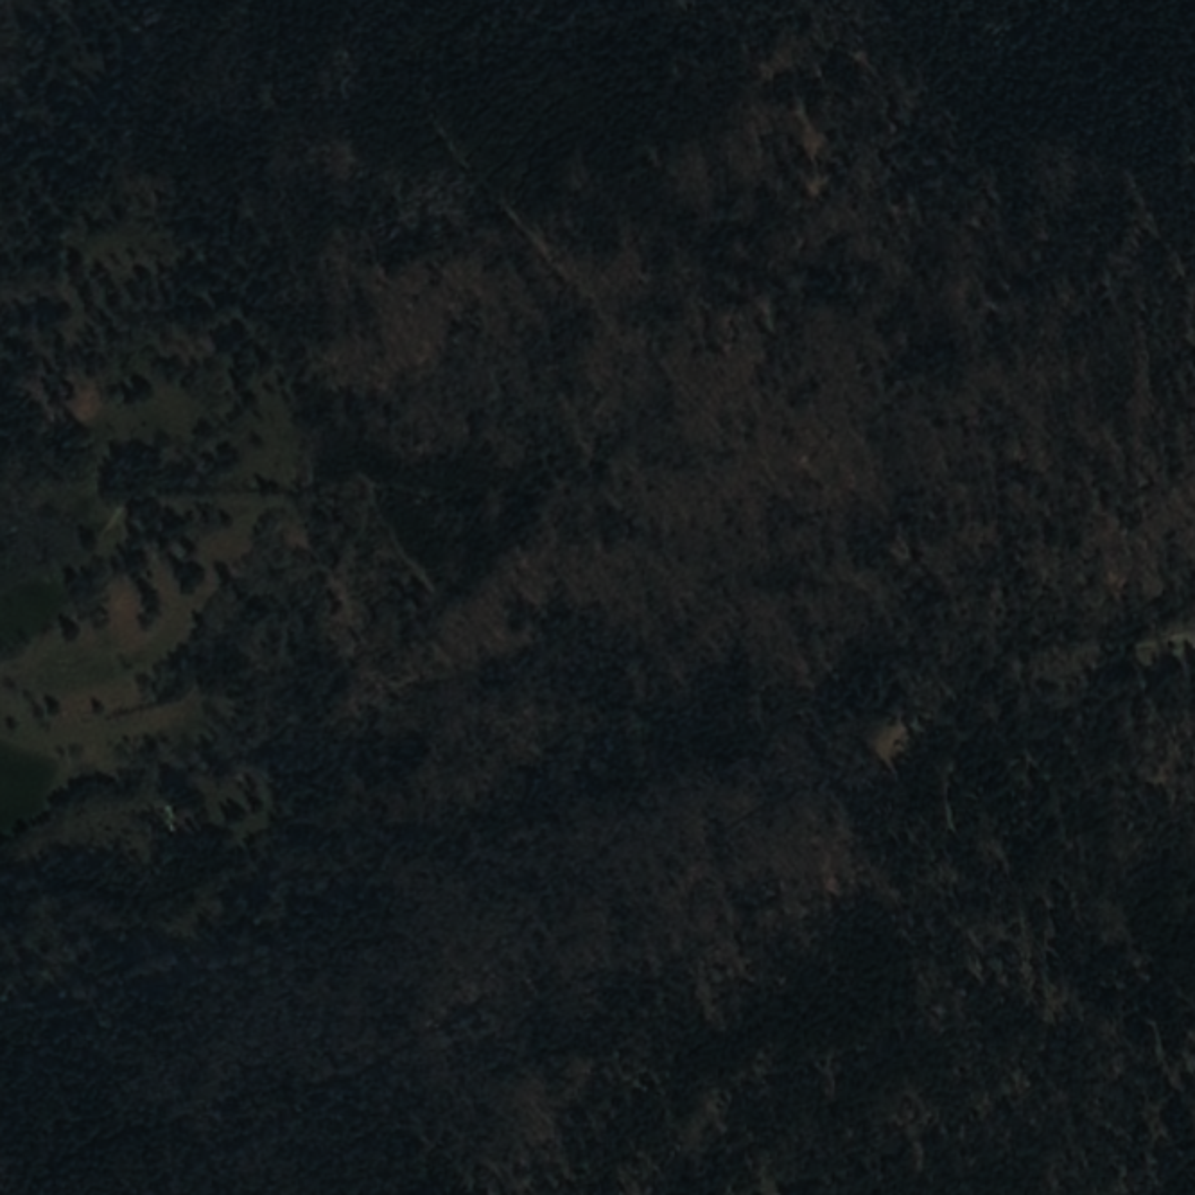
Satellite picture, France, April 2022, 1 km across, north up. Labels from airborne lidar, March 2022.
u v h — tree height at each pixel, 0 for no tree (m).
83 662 0
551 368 23
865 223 19
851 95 14
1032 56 24
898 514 14
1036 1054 26
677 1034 26
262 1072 22
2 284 15
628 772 25
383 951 27
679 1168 37
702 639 23
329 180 21
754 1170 31
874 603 19
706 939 30
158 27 15
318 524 19
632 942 26
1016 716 32
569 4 14
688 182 21
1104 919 23
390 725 9
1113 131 21
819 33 17
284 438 0
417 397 25
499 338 21
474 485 14
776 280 7
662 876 23
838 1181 33
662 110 19
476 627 25
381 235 20
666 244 19
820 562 19
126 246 0
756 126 20
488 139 20
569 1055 26
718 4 12
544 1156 25
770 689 28
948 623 24
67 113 17
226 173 19
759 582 20
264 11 20
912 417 23
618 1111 19
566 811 21
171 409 0
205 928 12
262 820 0
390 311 22
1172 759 24
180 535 21
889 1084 29
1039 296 21
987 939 22
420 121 17
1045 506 21
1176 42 20
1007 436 21
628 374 25
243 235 20
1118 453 23
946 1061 27
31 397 19
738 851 25
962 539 22
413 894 25
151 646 0
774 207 17
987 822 25
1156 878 27
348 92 17
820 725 29
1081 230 14
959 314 16
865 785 27
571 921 28
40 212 19
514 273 19
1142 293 18
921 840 21
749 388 21
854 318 15
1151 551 29
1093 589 31
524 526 20
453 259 20
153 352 19
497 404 23
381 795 14
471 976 28
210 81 23
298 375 16
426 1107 22
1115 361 18
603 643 18
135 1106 28
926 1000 24
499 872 26
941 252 13
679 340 20
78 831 0
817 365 19
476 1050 26
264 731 20
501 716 22
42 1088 26
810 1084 30
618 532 21
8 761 0
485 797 29
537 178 20
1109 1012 28
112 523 0
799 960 27
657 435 25
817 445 16
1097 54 25
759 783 27
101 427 0
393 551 11
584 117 18
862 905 28
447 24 22
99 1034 27
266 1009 28
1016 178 20
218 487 13
